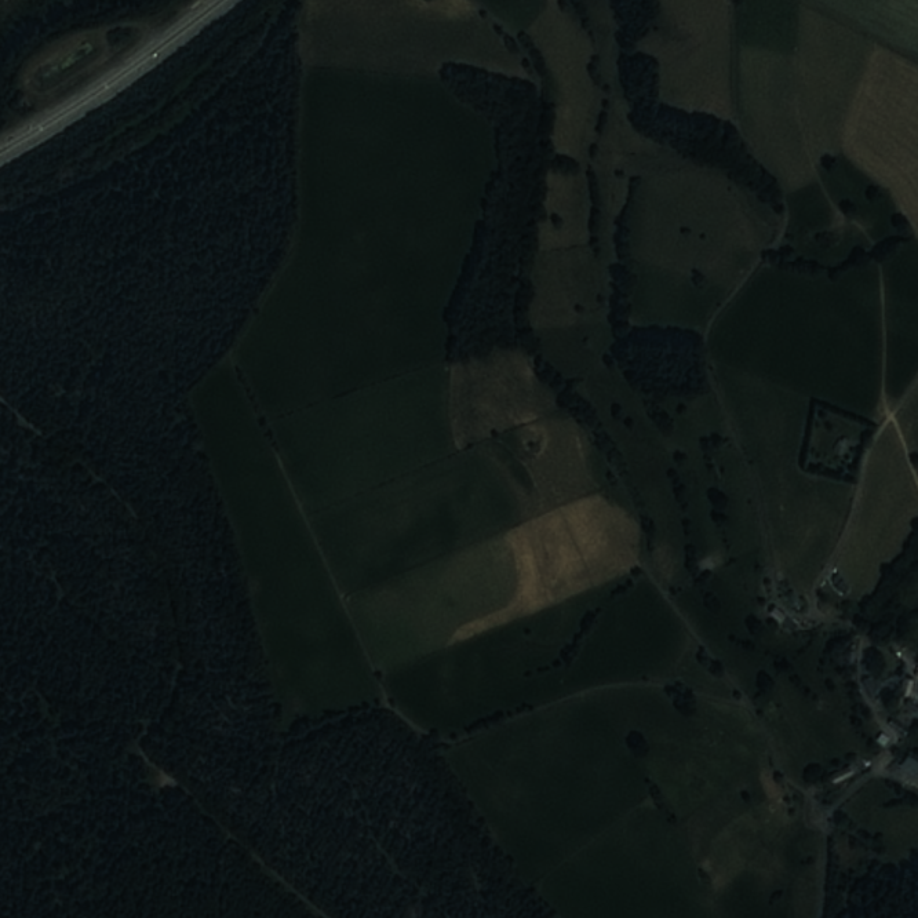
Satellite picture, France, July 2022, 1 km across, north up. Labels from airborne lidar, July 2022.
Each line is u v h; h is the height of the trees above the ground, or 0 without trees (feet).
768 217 0
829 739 0
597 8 0
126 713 86
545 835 0
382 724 50
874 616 62
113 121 32
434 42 0
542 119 77
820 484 0
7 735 77
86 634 80
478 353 64
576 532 0
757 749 0
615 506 0
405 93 0
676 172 0
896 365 0
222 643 55
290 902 24
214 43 35
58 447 48
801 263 55
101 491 48
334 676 0
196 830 74
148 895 46
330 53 0
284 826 57
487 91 72
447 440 0
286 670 0
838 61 0
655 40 0
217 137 55
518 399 0
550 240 0
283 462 0
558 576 0
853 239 0
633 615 0
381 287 0
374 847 48
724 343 0
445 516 0
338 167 0
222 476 0
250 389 43
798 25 0
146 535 50
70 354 85
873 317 0
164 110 26
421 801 60
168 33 0
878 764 0
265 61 49
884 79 0
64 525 56
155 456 53
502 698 0
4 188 27
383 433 0
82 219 66
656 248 0
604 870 0
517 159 65
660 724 0
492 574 0
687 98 0
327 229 0
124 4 60
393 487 0
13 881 55
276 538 0
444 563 0
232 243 49
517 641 0
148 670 75
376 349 0
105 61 0
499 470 0
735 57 0
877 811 0
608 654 0
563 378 51
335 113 0
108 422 73
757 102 0
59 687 60
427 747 42
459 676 0
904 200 0
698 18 0
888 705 67
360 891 63
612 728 0
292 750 50
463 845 57
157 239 94
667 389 101
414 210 0
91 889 34
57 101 0
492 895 57
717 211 0
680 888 0
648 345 94
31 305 68
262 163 65
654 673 0
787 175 0
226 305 67
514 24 0
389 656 0
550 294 0
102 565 77
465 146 0
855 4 0
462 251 0
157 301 75
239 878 50
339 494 0
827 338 0
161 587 51
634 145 0
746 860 0
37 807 38
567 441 0
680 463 56
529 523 0
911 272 0
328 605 0
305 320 0
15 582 77
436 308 0
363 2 0
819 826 0
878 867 44
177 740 66
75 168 23
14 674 79
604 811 0
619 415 48
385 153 0
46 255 54
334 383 0
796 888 0
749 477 0
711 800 0
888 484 0
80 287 69
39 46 31
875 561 0
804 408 0
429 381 0
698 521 0
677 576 0
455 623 0
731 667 0
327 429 0
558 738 0
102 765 58
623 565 0
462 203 0
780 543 0
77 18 41
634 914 0
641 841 0
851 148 0
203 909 50
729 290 0
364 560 0
